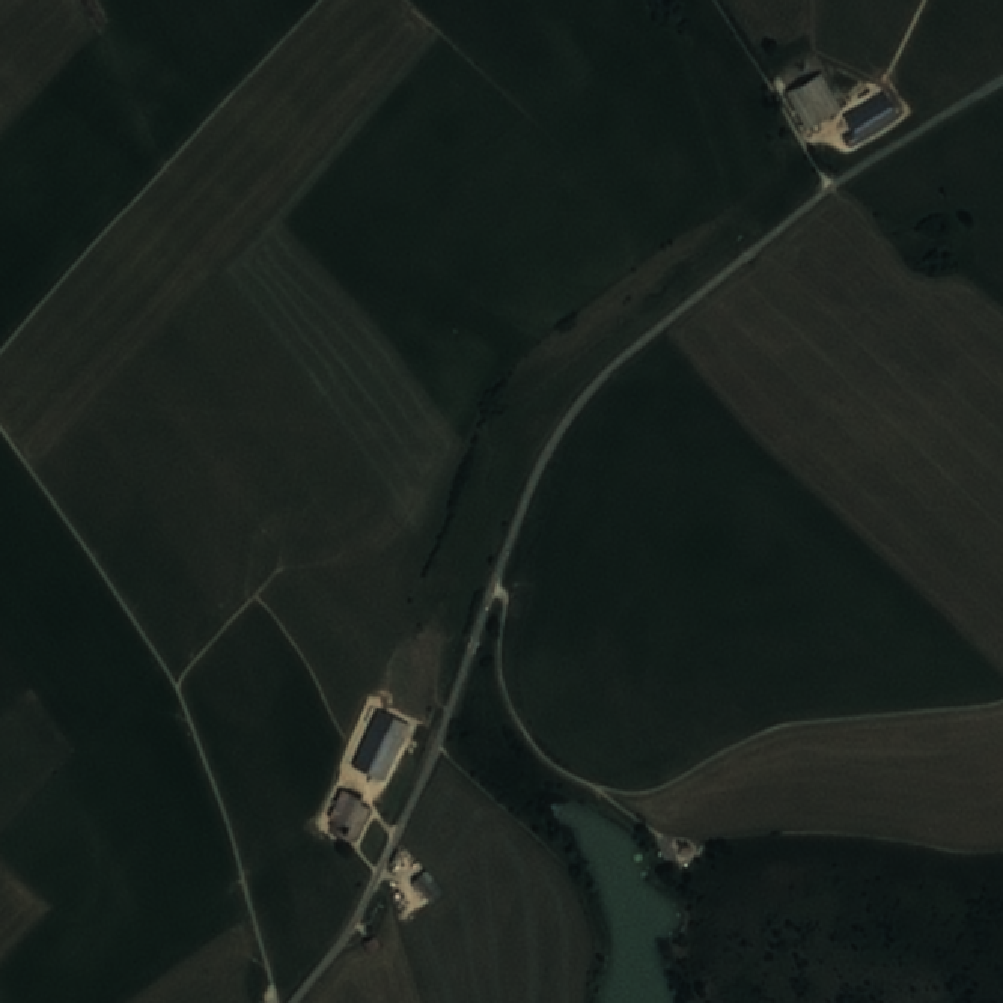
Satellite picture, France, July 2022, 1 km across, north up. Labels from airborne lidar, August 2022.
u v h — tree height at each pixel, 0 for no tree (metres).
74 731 0
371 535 0
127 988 0
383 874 0
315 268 0
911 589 0
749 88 0
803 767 0
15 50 0
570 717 0
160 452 0
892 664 0
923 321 0
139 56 0
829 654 0
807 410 0
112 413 0
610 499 0
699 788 0
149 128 0
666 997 0
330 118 0
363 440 0
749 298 0
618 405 0
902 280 0
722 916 0
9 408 0
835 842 0
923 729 0
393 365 0
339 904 0
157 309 0
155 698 0
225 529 0
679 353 0
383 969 0
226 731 0
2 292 0
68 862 0
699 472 0
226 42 0
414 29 0
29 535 0
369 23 0
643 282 0
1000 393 0
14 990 0
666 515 0
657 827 0
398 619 0
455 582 0
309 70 0
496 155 0
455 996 0
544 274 0
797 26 0
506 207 0
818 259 0
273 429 0
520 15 0
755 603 0
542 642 0
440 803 0
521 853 0
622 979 0
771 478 0
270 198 0
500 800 7
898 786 0
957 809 0
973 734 0
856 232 0
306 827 0
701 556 0
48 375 0
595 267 0
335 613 0
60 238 0
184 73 0
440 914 0
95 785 0
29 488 0
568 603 0
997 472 0
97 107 0
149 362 0
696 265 0
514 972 0
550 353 0
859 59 0
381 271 0
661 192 0
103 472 0
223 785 0
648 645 0
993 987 0
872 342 0
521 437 0
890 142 0
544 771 0
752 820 0
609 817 0
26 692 0
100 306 0
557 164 0
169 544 0
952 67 0
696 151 0
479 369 0
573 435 0
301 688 0
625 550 0
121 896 0
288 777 0
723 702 0
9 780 0
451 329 0
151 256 0
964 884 0
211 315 0
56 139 0
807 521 0
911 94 0
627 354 0
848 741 0
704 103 0
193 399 0
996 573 0
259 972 0
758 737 0
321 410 0
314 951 0
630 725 0
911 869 0
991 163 0
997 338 0
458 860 0
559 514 0
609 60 0
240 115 0
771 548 0
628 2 0
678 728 0
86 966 0
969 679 0
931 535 0
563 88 0
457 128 0
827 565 0
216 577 0
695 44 0
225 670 0
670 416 0
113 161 0
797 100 0
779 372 0
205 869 0
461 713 0
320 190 0
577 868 10
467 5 0
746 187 0
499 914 0
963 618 0
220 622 0
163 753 0
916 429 0
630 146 0
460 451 0
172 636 0
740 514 0
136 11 0
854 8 0
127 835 0
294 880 0
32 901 0
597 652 0
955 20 0
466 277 0
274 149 0
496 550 0
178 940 0
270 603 0
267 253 0
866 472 0
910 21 0
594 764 0
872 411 0
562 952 0
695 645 0
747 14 0
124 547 0
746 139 0
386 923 0
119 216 0
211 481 0
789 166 0
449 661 0
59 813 0
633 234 0
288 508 0
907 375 0
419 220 0
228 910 0
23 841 0
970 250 0
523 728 0
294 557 0
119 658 0
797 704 0
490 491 0
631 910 0
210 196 0
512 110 0
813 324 0
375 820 0
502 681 0
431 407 0
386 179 0
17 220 0
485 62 0
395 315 0
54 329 0
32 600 0
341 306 0
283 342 0
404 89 0
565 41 0
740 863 0
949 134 0
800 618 0
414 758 0
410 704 0
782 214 0
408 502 0
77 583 0
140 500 0
